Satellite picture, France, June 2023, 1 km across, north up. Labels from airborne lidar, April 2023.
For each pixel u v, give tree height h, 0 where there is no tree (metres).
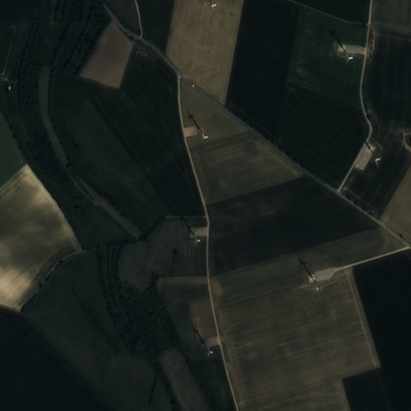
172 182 0
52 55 0
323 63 0
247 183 0
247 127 0
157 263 0
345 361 0
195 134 0
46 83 0
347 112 0
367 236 0
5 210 0
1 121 0
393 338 0
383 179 0
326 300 0
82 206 7
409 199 0
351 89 0
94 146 0
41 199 0
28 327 0
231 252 0
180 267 0
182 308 0
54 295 0
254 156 0
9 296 0
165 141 0
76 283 0
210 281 0
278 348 0
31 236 0
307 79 0
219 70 0
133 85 0
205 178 0
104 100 0
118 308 10
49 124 0
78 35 0
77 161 0
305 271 0
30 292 0
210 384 0
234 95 0
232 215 0
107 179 0
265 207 0
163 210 0
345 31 0
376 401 0
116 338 0
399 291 0
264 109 0
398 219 0
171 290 0
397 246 0
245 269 0
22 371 0
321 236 0
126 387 0
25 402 0
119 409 0
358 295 0
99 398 0
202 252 0
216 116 0
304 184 0
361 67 0
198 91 0
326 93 0
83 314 0
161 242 0
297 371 0
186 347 0
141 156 0
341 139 0
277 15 0
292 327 0
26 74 14
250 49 0
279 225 0
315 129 0
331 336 0
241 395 0
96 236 0
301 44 0
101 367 0
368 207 0
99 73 0
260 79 0
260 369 0
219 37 0
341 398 0
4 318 0
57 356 0
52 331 0
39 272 0
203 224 0
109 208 0
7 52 0
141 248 0
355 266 0
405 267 0
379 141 0
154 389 6
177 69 0
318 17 0
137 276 0
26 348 0
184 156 0
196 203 0
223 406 0
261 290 0
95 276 0
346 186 0
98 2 14
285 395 0
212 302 0
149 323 6
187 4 0
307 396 0
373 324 0
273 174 0
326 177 0
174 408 5
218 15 0
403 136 0
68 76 0
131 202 0
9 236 0
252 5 0
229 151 0
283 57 0
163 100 0
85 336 0
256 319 0
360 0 0
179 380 0
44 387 0
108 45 0
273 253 0
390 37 0
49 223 0
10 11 0
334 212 0
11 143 0
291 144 0
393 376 0
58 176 8
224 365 0
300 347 0
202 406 0
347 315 0
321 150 0
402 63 0
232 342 0
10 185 0
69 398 0
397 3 0
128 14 0
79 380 0
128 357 0
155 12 0
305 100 0
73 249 0
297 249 0
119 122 0
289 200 0
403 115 0
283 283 0
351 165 0
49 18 0
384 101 0
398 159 0
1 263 0
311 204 0
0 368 0
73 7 8
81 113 0
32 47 7
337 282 0
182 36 0
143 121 0
